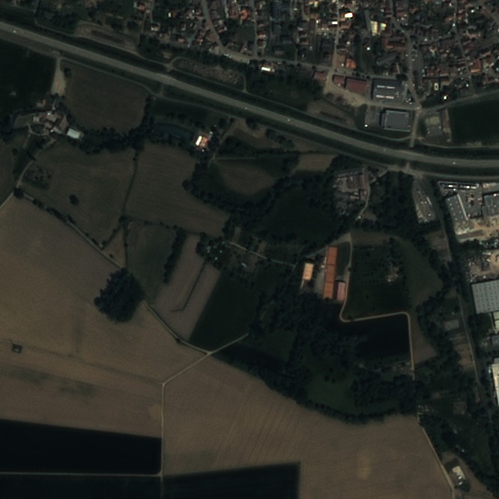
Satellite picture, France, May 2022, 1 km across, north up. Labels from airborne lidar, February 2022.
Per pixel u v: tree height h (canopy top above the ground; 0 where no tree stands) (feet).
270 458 0
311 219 0
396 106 0
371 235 0
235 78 0
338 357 58
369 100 0
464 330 0
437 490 0
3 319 0
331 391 0
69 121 31
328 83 0
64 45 0
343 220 34
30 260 0
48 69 0
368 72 0
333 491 0
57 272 0
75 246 0
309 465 0
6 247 0
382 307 0
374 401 65
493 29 0
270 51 0
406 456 0
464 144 0
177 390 0
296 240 59
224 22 0
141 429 0
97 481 0
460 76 0
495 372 0
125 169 0
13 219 0
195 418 0
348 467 0
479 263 0
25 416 0
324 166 0
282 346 0
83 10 0
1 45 0
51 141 0
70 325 0
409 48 0
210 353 0
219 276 0
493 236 0
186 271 0
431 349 0
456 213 0
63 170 0
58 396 0
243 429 0
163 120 0
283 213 0
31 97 0
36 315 0
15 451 0
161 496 0
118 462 0
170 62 0
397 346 0
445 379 0
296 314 73
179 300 0
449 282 90
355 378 0
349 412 0
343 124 0
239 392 0
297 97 0
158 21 18
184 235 41
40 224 0
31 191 0
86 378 0
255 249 0
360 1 0
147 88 0
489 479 64
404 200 63
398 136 0
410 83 0
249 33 0
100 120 0
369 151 0
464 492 0
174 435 0
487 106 0
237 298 0
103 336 0
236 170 0
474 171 0
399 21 0
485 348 0
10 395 0
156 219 0
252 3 0
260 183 0
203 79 0
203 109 0
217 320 0
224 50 0
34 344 0
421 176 0
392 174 45
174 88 0
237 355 0
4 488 0
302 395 91
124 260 0
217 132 52
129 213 0
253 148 0
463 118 0
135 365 0
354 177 0
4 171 0
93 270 0
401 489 0
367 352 0
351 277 0
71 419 0
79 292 0
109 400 0
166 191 0
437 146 0
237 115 0
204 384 0
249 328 0
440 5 0
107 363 0
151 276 0
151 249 0
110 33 0
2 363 0
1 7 0
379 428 0
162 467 0
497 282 0
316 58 0
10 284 0
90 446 0
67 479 0
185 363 0
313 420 0
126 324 0
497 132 0
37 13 27
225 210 40
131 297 106
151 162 0
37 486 0
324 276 0
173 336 0
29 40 0
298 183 49
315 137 0
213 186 0
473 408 47
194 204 0
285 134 0
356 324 0
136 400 0
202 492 0
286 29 0
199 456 0
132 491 0
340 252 0
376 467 0
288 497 0
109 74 0
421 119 0
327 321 0
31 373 0
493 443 38
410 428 0
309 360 0
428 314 48
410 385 64
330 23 0
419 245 54
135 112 0
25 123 0
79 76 0
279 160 0
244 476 0
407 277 22
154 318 0
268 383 86
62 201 0
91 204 0
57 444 0
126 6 0
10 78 0
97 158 0
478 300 0
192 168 0
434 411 0
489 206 0
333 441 0
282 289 20
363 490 0
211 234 0
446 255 0
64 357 0
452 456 0
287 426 0
